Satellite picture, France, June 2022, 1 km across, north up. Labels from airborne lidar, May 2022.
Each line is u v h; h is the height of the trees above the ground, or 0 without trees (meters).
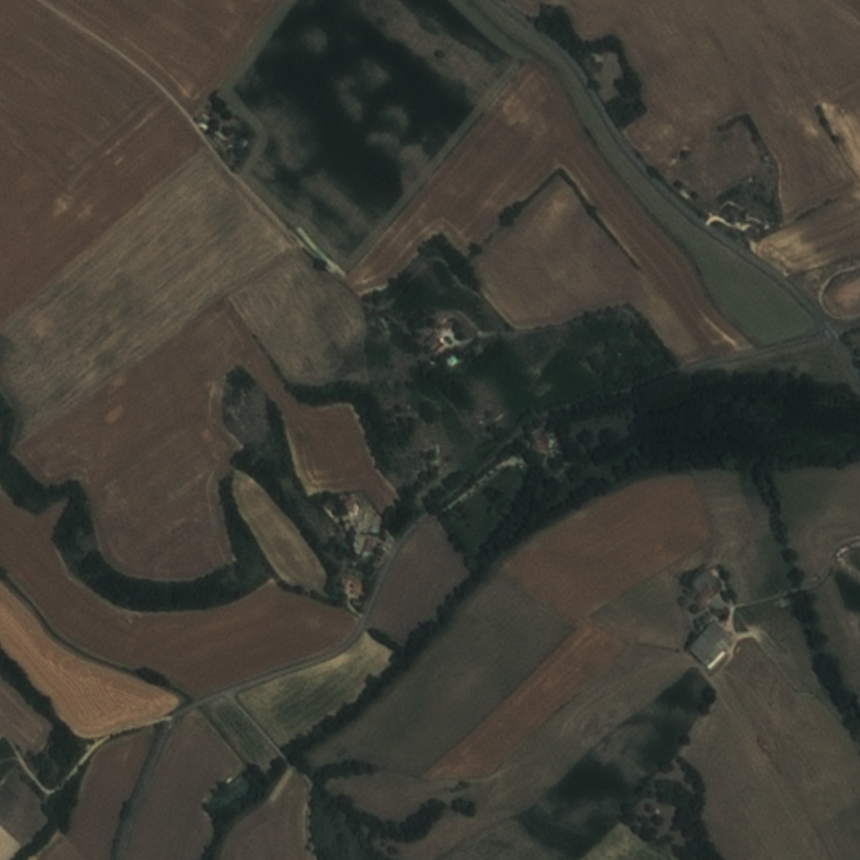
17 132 0
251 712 0
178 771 0
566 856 0
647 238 0
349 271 0
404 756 0
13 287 0
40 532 0
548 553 0
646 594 0
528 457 19
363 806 0
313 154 0
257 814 0
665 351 10
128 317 0
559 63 0
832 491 0
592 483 19
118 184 0
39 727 0
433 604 0
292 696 0
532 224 0
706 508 0
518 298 0
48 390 0
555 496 10
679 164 0
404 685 0
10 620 0
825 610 0
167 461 0
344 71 0
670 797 11
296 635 0
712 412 11
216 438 0
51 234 0
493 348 8
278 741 0
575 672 0
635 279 0
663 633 0
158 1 0
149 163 0
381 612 0
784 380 14
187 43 0
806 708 0
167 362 0
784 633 0
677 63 0
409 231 0
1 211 0
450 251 14
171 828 0
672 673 0
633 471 12
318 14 0
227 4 0
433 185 0
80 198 0
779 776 0
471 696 0
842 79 0
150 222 0
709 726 0
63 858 0
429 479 9
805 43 0
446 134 0
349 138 0
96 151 0
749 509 0
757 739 0
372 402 13
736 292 0
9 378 0
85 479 0
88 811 0
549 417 9
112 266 0
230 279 0
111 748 0
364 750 0
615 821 0
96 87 0
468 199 0
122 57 0
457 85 0
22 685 13
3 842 0
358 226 0
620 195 0
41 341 0
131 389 0
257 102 0
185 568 0
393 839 11
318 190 0
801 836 0
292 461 7
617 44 16
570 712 0
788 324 0
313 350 0
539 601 0
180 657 0
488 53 0
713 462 11
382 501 0
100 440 0
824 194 0
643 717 0
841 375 0
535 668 0
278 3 0
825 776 0
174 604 11
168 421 0
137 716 0
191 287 0
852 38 0
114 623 0
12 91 0
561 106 0
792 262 0
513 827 0
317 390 10
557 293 0
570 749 0
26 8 0
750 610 0
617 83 10
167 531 0
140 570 0
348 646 0
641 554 0
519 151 0
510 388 6
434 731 0
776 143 0
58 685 0
